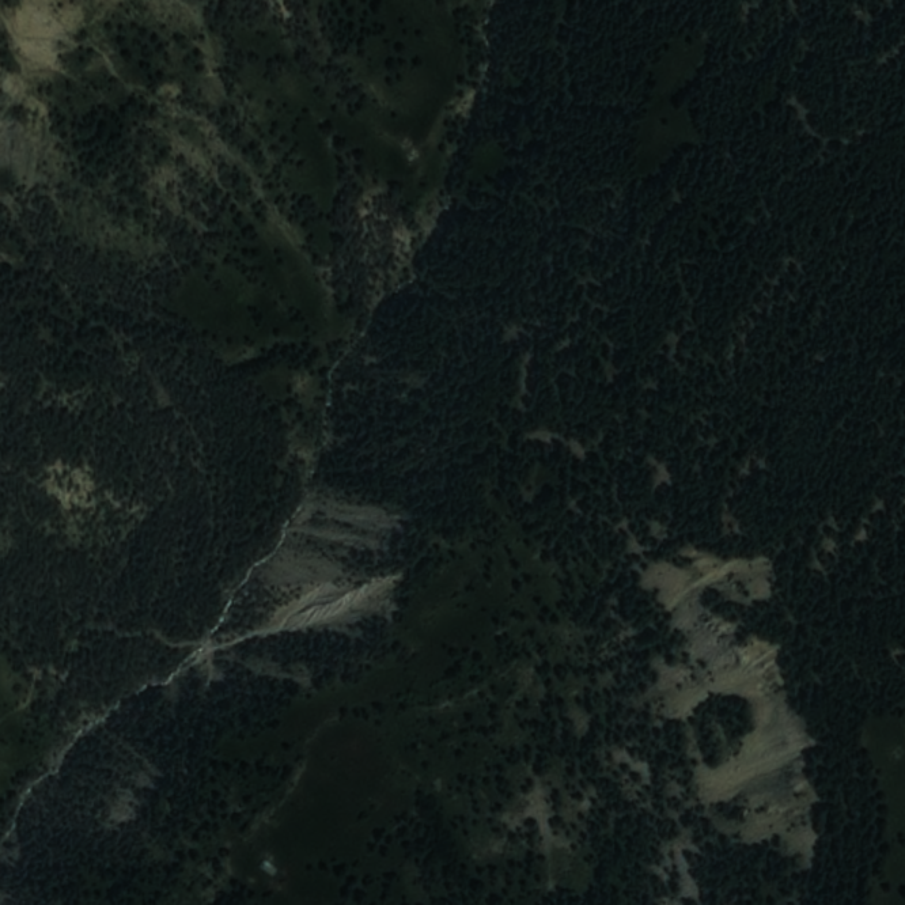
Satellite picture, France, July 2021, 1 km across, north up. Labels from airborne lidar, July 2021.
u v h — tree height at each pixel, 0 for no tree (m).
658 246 17
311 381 0
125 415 20
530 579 17
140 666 6
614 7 25
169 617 12
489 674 7
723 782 0
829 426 14
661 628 18
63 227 7
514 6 21
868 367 18
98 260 16
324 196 0
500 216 21
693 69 0
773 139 24
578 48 18
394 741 0
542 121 33
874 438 18
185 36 9
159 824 10
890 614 22
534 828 13
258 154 15
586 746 17
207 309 0
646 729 18
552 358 15
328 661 16
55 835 7
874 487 19
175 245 13
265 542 10
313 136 0
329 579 0
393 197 15
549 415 20
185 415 6
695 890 0
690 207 19
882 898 0
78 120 12
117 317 14
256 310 13
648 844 13
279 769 7
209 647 0
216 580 12
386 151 0
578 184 19
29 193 6
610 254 17
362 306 14
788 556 17
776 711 0
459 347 13
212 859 7
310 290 0
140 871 13
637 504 19
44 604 10
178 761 16
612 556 21
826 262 19
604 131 25
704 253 18
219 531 14
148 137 8
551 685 17
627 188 11
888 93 21
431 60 0
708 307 19
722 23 21
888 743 0
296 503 10
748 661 0
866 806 18
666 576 0
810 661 21
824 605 21
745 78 20
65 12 0
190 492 9
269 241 0
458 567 0
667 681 0
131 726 13
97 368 17
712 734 10
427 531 17
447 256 27
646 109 18
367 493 8
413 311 27
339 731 0
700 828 16
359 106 16
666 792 7
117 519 8
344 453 13
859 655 14
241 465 22
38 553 12
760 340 15
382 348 9
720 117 20
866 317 17
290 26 10
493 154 0
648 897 15
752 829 0
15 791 16
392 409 16
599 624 21
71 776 12
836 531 17
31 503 9
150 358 11
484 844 0
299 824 0
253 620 7
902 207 20
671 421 16
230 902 20
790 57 20
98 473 9
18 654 19
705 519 21
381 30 14
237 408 16
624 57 18
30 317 16
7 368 16
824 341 21
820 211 21
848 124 13
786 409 20
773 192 18
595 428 23
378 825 0
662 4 22
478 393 22
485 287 18
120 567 13
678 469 16
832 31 17
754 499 16
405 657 14
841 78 16
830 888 21
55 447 16
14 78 0
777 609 10
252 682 9
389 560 10
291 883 0
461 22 10
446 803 0
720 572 0
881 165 19
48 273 7
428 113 0
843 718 25
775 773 0
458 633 0
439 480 19
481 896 14
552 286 19
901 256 17
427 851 15
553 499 21
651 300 19
